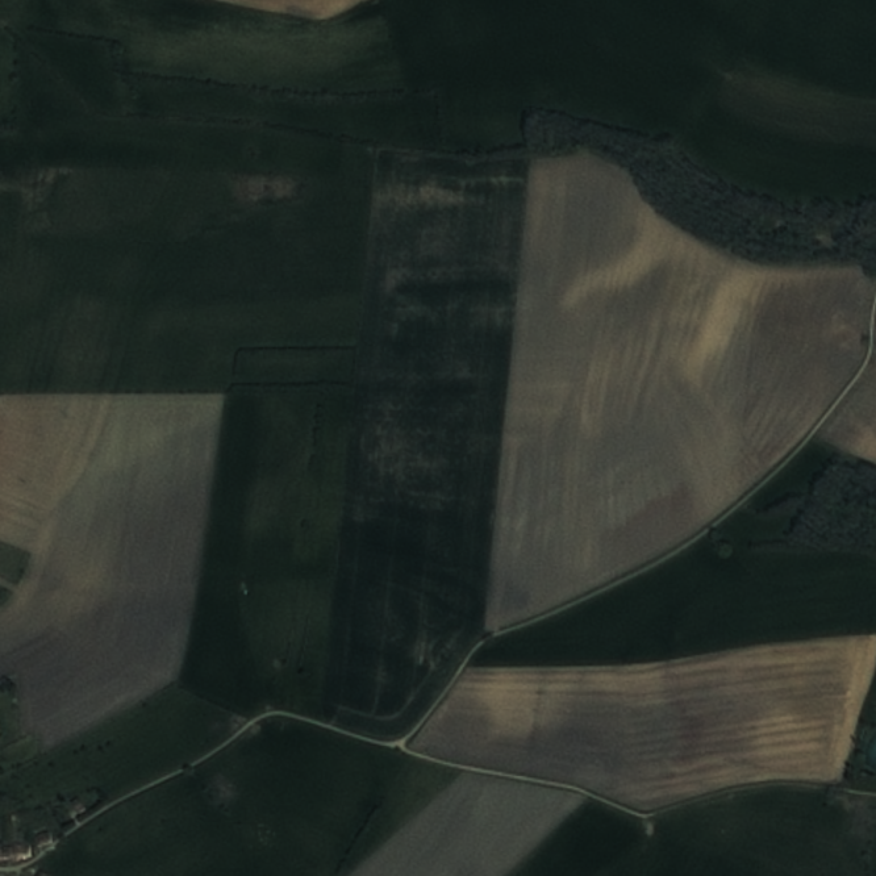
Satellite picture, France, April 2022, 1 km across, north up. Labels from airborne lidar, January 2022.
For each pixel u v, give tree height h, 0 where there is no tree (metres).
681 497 0
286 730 0
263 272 0
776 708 0
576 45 0
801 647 0
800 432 0
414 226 0
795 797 0
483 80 0
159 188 0
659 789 0
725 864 0
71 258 0
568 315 0
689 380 0
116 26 0
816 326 0
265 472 0
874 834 0
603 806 0
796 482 0
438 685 0
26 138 0
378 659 0
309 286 0
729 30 0
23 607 0
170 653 0
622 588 0
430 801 0
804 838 0
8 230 0
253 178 0
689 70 0
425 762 0
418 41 0
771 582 0
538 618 0
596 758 0
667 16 0
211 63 0
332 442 0
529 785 0
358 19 0
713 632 0
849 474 23
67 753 0
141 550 0
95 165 0
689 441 0
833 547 21
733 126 0
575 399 0
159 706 0
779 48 0
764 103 0
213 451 0
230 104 0
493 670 0
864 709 0
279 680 0
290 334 0
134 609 0
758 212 22
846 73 0
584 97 0
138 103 0
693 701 0
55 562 0
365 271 0
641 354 0
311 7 0
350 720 0
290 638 0
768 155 0
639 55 0
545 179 0
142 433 0
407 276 0
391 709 0
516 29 0
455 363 0
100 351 0
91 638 0
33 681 0
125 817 0
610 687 0
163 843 0
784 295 0
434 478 0
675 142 20
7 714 0
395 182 0
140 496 0
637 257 0
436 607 0
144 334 0
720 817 0
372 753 0
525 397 0
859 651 0
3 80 0
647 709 0
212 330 0
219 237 0
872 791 0
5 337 0
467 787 0
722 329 0
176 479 0
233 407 0
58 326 0
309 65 0
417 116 0
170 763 0
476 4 0
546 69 0
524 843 0
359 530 0
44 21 0
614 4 0
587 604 0
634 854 0
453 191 0
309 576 0
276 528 0
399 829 0
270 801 0
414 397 0
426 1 0
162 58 0
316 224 0
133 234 0
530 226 0
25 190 0
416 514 0
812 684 0
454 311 0
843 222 20
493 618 0
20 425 0
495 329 0
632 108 0
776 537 0
